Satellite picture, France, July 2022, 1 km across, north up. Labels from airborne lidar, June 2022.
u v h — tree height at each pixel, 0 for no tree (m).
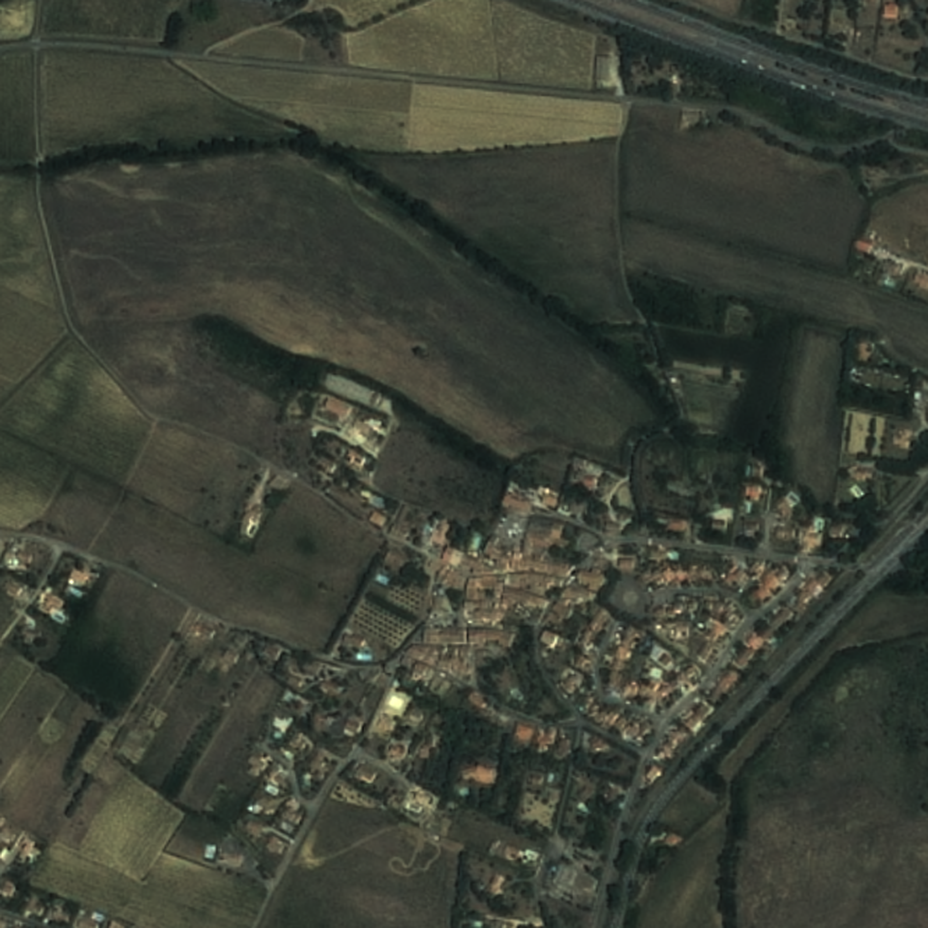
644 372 8
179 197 0
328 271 0
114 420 0
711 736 8
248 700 0
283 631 0
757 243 0
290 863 0
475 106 0
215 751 0
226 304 0
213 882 0
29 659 9
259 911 0
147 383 0
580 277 0
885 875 0
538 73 0
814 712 0
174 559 0
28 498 0
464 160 0
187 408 0
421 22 0
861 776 0
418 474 0
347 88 0
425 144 0
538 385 0
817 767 0
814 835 0
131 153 15
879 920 0
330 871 0
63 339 0
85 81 0
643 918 0
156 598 0
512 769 6
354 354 0
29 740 0
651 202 0
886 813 0
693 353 0
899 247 0
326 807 0
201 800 0
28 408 0
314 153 13
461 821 0
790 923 0
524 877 6
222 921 0
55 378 0
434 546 0
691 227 0
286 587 0
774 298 0
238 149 9
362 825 0
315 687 7
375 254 0
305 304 0
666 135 0
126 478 0
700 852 0
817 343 0
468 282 0
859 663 0
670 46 13
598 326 11
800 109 12
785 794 0
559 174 0
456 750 15
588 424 0
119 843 0
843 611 0
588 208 0
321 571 0
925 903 0
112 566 0
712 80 9
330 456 9
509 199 0
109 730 0
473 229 0
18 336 0
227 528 0
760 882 0
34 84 0
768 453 8
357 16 0
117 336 0
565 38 0
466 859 11
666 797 0
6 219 0
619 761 10
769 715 0
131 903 0
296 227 0
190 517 0
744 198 0
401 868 0
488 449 12
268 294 0
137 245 0
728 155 0
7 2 0
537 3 0
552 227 0
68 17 0
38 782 0
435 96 0
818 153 11
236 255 0
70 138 0
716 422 0
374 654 0
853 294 0
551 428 0
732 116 16
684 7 12
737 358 0
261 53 0
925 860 0
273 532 0
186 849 0
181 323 0
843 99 0
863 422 0
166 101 0
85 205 0
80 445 0
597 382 0
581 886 0
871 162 11
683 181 0
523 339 0
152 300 0
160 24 0
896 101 0
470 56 0
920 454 10
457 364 0
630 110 0
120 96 0
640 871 8
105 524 0
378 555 6
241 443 0
